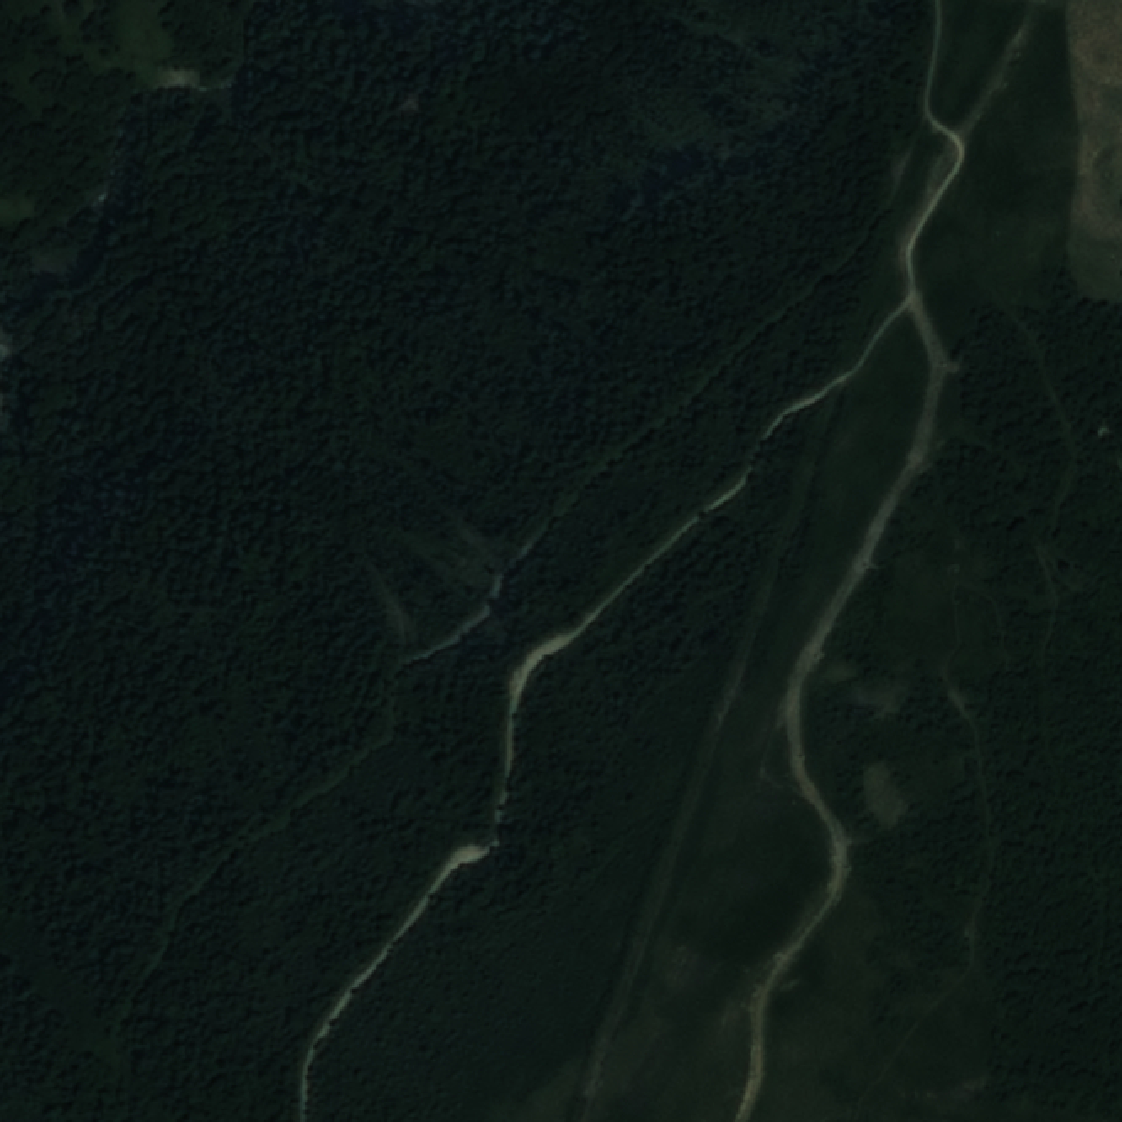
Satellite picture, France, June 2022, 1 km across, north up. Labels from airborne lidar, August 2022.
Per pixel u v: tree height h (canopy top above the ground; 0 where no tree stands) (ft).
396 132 72
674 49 37
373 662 43
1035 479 34
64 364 59
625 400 19
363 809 25
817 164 39
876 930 0
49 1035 29
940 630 0
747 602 21
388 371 43
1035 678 35
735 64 36
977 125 0
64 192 53
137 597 23
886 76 25
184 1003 21
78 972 23
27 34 77
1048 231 0
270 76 62
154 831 30
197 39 41
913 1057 0
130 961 33
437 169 50
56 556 36
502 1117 0
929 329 0
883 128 24
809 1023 0
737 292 28
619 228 42
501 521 19
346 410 31
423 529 26
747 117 29
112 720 37
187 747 43
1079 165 0
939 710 26
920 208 0
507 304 42
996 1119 0
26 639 46
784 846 0
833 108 18
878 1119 0
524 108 69
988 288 0
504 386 30
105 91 37
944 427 0
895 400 0
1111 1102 28
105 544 26
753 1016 0
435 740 55
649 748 21
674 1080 0
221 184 53
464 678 25
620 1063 0
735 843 0
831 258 20
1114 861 47
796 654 0
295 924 28
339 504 49
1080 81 0
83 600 25
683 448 20
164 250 57
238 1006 23
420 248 55
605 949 0
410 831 35
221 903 23
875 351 0
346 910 23
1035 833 24
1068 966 39
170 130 57
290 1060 22
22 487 61
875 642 23
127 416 66
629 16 57
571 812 24
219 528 32
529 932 17
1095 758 37
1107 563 36
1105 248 0
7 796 43
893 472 0
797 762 0
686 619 47
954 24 0
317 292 44
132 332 62
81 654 37
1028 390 18
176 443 40
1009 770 22
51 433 62
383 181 45
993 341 26
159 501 45
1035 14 0
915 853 21
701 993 0
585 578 21
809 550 26
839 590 0
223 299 42
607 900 0
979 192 0
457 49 62
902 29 30
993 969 24
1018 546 21
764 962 0
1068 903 36
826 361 26
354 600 24
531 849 32
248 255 59
